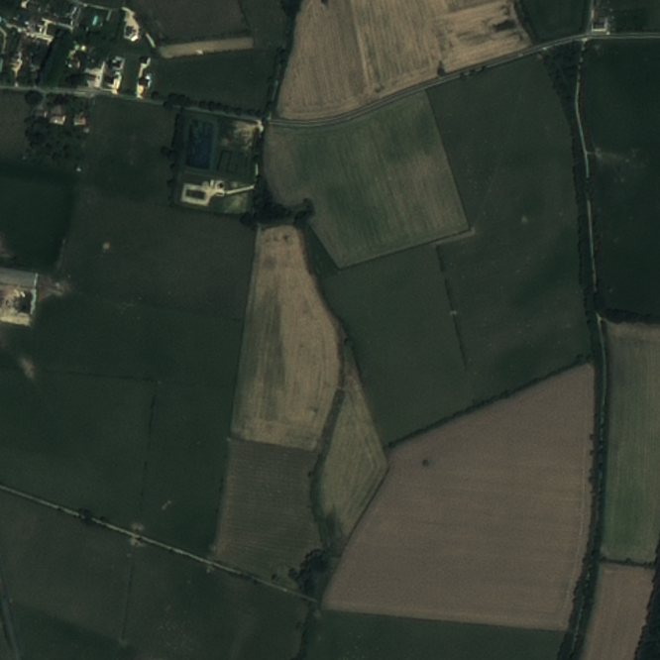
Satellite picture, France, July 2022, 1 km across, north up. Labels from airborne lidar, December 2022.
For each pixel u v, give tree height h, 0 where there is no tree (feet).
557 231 0
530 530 0
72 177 0
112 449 0
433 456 0
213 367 0
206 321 0
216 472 0
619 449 0
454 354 0
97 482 0
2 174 0
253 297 0
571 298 0
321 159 0
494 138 0
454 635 0
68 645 0
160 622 0
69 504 0
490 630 0
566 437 0
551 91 0
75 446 0
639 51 0
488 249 0
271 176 0
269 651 0
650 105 0
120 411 0
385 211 0
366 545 0
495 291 0
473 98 0
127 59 0
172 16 0
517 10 26
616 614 0
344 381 0
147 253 0
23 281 0
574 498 0
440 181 0
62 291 0
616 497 0
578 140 23
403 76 0
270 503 0
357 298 0
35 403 0
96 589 0
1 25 0
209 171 0
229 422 0
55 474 0
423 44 0
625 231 0
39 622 0
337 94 0
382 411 0
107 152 0
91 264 0
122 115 0
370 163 0
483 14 0
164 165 0
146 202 0
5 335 0
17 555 0
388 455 0
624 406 0
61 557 0
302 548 0
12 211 0
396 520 0
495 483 0
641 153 0
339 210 0
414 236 0
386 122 0
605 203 0
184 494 0
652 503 0
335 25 0
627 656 0
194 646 0
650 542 0
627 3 0
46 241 0
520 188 0
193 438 0
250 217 48
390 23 0
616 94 0
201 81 0
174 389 0
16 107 0
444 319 0
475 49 0
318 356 0
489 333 0
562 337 0
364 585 0
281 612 0
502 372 0
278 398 0
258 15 0
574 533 0
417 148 0
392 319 0
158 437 0
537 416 0
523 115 0
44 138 46
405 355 0
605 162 0
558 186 0
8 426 0
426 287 0
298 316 0
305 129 0
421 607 0
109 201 0
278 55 19
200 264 0
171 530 0
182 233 0
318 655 0
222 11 0
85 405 0
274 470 0
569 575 0
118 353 0
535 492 0
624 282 0
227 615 0
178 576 0
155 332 0
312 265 0
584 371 0
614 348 0
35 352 0
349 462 0
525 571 0
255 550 0
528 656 0
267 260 0
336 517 0
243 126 0
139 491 0
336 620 0
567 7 0
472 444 0
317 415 0
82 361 0
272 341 0
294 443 0
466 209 0
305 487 0
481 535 0
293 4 29
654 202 0
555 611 0
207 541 0
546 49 0
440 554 0
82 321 0
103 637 0
